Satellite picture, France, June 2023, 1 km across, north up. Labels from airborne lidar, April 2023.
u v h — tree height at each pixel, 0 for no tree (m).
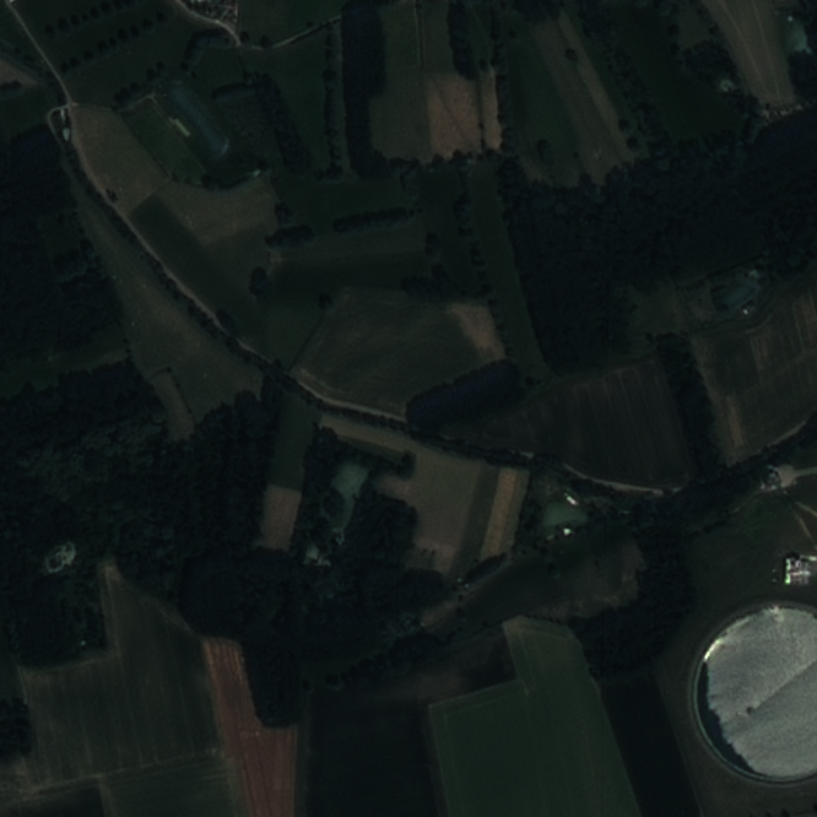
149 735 0
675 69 0
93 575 8
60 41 0
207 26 0
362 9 27
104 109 0
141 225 0
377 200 0
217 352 0
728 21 0
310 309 0
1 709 22
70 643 19
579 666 0
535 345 0
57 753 0
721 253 37
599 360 29
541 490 0
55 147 31
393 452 0
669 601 8
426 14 0
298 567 16
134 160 0
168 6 0
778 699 0
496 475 0
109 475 19
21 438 14
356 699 0
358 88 35
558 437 0
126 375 28
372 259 0
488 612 0
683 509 23
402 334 0
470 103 0
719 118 0
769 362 0
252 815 0
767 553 0
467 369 0
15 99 0
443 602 0
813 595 0
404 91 0
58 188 36
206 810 0
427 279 0
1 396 0
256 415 33
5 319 36
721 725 0
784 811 0
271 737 0
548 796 0
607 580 0
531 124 0
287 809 0
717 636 0
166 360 0
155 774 0
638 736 0
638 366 0
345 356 0
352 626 38
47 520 32
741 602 0
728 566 0
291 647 26
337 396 0
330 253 0
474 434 0
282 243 18
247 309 0
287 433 0
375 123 0
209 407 0
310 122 0
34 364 0
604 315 28
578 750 0
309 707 0
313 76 0
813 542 0
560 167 0
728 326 0
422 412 31
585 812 0
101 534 7
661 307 0
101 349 0
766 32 0
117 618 0
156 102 0
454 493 0
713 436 26
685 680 0
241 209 0
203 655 0
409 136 0
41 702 0
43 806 0
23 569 24
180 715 0
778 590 0
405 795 0
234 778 0
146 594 0
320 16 0
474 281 0
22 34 0
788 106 0
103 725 0
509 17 0
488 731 0
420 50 0
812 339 0
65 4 0
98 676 0
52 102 0
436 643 17
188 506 26
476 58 0
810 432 15
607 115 0
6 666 0
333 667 0
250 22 0
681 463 0
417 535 0
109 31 0
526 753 0
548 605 0
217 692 0
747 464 12
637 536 12
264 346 0
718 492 23
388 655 0
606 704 0
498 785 0
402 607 15
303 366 0
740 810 0
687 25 0
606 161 0
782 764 0
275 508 0
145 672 0
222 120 0
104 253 0
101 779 0
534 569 0
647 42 0
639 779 0
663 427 0
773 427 0
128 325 0
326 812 0
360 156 34
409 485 0
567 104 0
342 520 0
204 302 0
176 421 0
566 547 0
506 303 0
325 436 15
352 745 0
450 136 0
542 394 0
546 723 0
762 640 0
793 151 38
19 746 17
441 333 0
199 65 0
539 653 0
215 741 0
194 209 0
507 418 0
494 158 11
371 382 0
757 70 0
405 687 0
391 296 0
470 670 0
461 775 0
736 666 0
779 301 0
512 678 0
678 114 0
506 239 0
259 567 36
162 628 0
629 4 0
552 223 37
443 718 0
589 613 0
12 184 36
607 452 0
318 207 0
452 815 0
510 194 17
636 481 0
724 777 0
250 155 0
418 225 0
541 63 0
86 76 0
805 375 0
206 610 39
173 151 0
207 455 9
